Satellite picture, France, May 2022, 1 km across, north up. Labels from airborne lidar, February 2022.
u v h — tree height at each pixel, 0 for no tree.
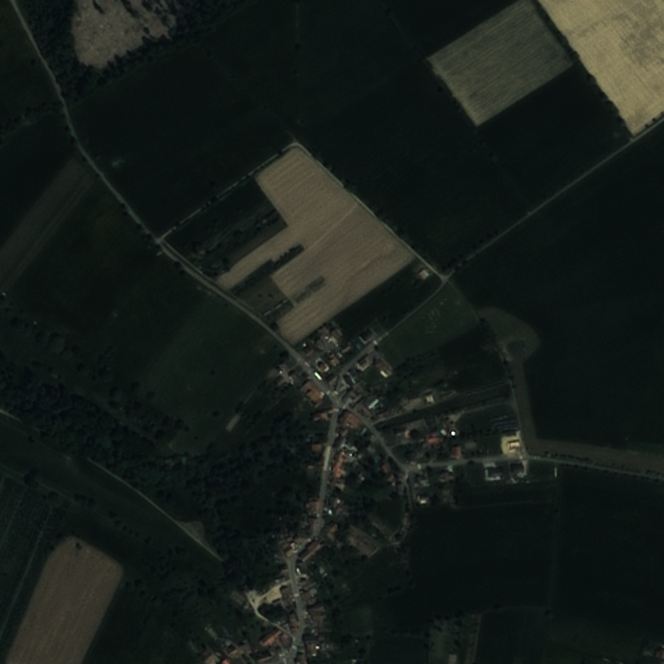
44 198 0
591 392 0
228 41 0
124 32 0
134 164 0
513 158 0
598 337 0
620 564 0
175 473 19
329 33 0
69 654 0
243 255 0
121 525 10
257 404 0
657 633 0
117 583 0
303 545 0
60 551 0
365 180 0
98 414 22
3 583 0
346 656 0
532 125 0
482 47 0
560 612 0
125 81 0
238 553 23
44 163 0
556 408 0
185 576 0
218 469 20
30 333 10
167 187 0
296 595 0
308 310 0
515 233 0
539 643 0
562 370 0
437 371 0
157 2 0
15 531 0
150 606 0
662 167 0
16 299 0
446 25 0
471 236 0
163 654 0
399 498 9
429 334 0
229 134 0
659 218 0
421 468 0
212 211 0
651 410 0
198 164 0
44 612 0
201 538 0
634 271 0
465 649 0
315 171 0
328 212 0
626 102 0
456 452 0
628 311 0
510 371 7
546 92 0
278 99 0
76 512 0
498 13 0
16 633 0
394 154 0
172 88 0
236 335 0
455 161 0
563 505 0
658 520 0
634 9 0
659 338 0
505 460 0
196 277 0
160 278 0
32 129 0
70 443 23
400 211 0
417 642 0
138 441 22
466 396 0
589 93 0
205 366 0
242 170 0
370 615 0
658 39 0
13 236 0
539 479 0
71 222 0
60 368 0
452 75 0
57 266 0
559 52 0
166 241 0
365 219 0
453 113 0
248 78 0
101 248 0
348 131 0
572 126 0
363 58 0
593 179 0
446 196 0
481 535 0
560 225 0
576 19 0
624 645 0
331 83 0
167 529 0
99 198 0
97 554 0
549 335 0
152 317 0
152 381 0
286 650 0
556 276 0
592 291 0
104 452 29
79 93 25
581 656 0
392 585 0
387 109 0
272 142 0
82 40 0
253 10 0
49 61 16
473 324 0
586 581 0
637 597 0
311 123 0
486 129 0
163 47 21
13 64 0
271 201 0
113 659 0
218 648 0
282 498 10
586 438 0
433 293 0
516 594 0
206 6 27
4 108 0
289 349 0
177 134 0
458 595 0
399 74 0
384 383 0
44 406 34
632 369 0
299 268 0
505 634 0
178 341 0
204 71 0
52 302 0
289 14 0
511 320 0
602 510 0
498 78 0
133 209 0
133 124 0
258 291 0
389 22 0
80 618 0
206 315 0
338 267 0
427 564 0
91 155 0
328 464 0
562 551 0
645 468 0
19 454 0
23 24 0
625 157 0
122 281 0
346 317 0
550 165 0
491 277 0
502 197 0
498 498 0
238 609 0
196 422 0
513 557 0
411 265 0
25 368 0
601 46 0
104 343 0
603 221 0
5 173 0
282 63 0
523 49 0
